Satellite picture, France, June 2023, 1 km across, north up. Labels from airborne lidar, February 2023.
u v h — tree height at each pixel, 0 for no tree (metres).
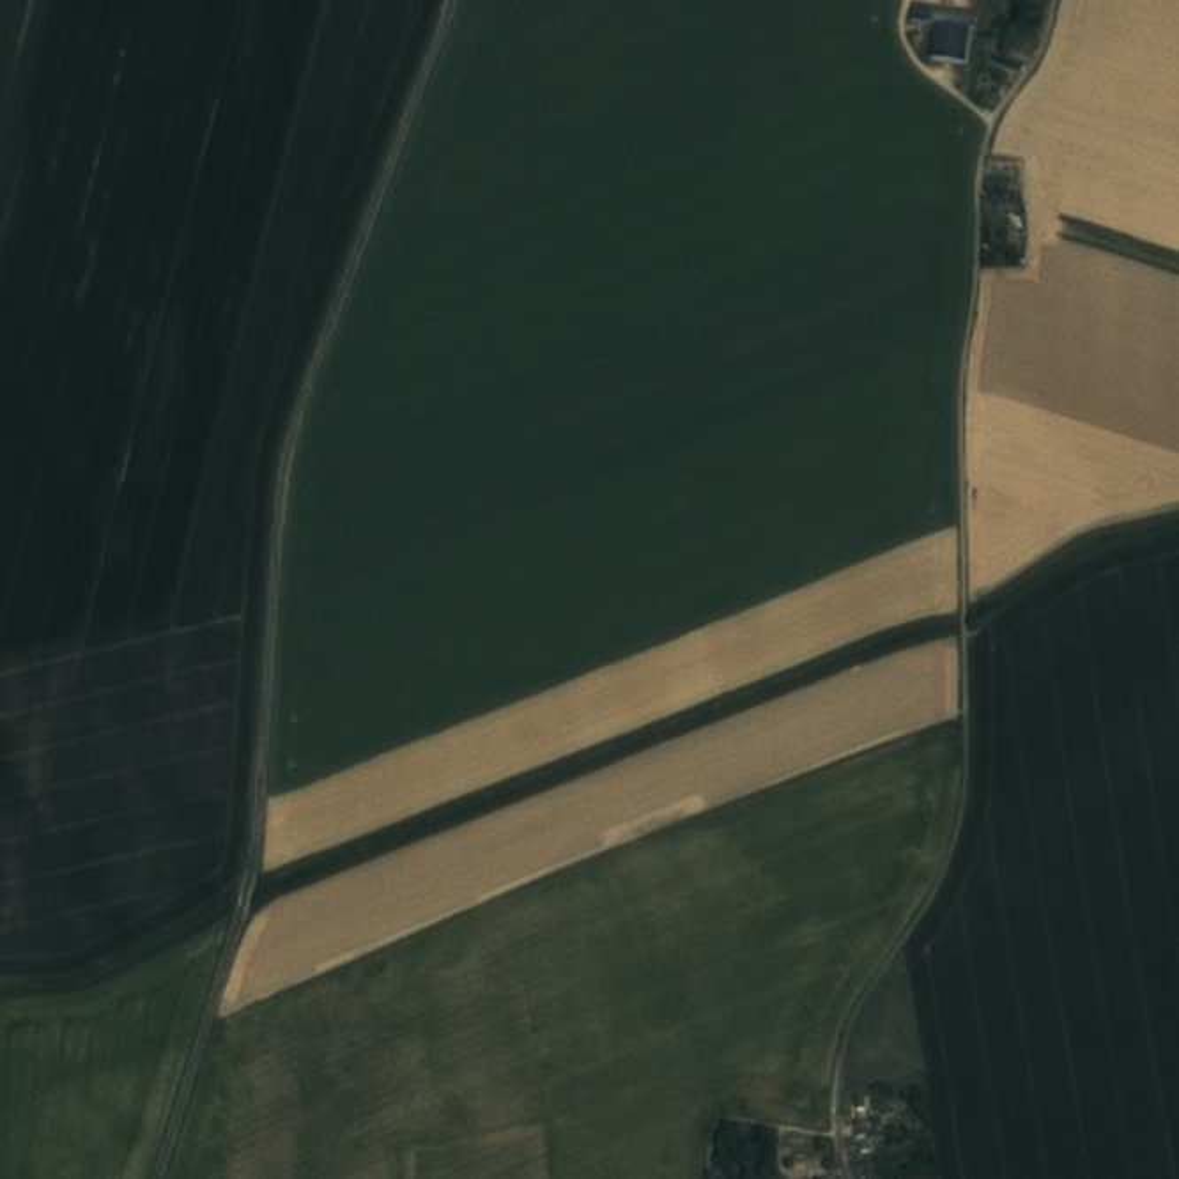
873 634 0
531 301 0
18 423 0
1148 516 0
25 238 0
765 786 0
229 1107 0
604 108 0
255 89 0
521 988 0
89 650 0
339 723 0
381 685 0
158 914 0
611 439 0
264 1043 0
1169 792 0
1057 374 0
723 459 0
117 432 0
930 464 0
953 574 0
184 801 0
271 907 0
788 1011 0
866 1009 0
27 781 0
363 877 0
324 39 0
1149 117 0
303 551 0
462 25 0
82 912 0
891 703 0
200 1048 0
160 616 0
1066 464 0
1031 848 0
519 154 0
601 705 0
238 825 0
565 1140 0
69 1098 0
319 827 0
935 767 0
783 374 0
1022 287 0
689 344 0
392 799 0
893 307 0
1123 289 0
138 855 0
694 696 0
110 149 0
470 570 0
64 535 0
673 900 0
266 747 0
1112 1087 0
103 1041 0
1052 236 0
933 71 0
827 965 0
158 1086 0
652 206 0
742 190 0
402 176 0
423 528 0
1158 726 0
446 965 0
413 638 0
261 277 0
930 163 0
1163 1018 0
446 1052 0
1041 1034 0
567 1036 0
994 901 0
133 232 0
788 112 0
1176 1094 0
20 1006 0
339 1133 0
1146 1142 0
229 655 0
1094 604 0
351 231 0
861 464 0
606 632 0
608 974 0
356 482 0
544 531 0
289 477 0
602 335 0
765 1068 0
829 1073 0
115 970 0
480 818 0
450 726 0
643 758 0
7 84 0
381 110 0
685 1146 0
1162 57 0
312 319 0
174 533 0
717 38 0
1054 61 0
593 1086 0
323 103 0
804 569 0
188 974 0
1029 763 0
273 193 0
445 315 0
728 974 0
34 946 0
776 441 0
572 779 0
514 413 0
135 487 0
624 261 0
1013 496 0
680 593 0
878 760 0
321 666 0
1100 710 0
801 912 0
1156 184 0
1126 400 0
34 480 0
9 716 0
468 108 0
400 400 0
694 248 0
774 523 0
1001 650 0
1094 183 0
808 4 0
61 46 0
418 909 0
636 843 0
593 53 0
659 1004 0
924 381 0
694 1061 0
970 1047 0
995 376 0
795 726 0
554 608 0
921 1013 0
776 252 0
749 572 0
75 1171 0
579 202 0
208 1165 0
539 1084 0
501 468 0
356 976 0
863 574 0
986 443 0
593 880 0
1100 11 0
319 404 0
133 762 0
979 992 0
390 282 0
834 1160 9
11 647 0
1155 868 0
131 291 0
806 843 0
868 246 0
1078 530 0
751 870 0
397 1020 0
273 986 0
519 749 0
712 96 0
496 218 0
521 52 0
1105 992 0
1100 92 0
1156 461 0
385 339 0
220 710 0
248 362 0
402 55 0
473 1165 0
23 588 0
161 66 0
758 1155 13
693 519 0
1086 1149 0
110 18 0
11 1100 0
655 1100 0
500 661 0
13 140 0
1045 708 0
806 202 0
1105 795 0
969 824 0
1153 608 0
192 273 0
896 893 0
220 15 0
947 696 0
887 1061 0
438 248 0
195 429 0
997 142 0
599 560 0
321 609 0
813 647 0
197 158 0
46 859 0
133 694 0
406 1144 0
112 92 0
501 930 0
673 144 0
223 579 0
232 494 0
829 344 0
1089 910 0
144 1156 0
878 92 0
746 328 0
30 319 0
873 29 0
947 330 0
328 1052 0
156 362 0
